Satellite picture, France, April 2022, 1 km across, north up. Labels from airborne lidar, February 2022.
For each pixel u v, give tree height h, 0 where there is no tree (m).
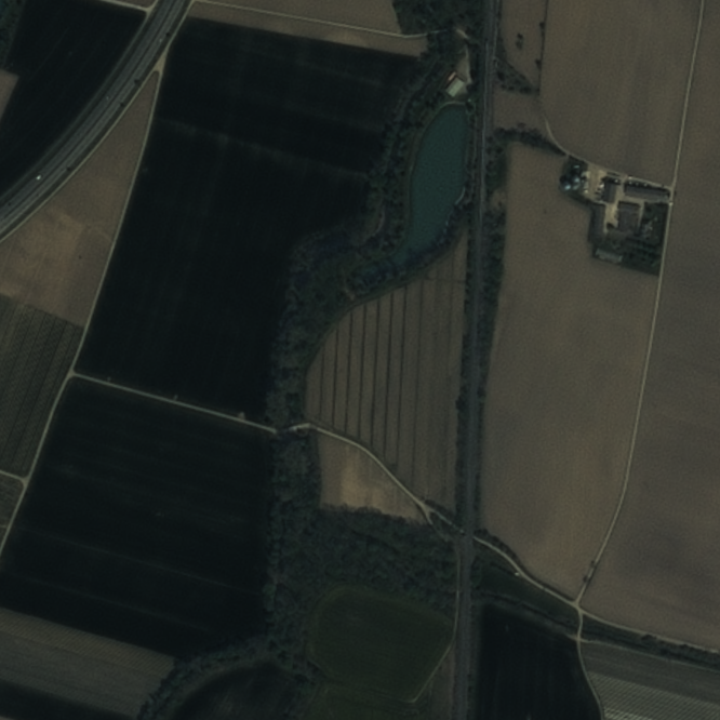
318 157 0
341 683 0
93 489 0
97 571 0
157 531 0
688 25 0
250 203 0
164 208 0
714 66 0
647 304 0
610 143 0
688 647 7
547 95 0
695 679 0
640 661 0
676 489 0
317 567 21
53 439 0
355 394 0
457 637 0
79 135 0
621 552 0
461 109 0
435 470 0
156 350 0
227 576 0
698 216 0
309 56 0
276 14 0
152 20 0
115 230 0
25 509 0
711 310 0
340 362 0
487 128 0
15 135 0
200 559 0
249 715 0
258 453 0
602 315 0
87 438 0
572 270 0
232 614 0
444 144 0
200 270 0
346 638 0
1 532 0
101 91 0
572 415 0
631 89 0
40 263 0
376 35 0
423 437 0
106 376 0
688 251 0
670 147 0
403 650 0
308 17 0
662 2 0
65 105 0
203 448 0
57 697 0
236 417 0
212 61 0
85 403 0
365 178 0
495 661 0
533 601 0
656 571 0
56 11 0
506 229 11
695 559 0
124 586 0
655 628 0
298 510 22
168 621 0
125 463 0
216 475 0
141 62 0
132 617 0
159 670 0
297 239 0
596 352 0
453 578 8
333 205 0
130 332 0
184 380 0
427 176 0
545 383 0
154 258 0
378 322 0
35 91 0
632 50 0
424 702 0
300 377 23
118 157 0
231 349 0
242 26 0
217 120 0
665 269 0
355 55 0
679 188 0
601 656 0
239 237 0
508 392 0
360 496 0
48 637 0
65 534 0
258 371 0
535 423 0
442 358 0
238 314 0
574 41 0
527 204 0
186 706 0
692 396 0
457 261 0
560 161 0
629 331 0
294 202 0
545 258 0
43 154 0
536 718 0
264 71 0
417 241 0
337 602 0
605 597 0
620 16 0
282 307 0
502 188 0
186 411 0
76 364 0
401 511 0
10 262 0
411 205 0
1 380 0
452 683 0
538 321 0
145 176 0
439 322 0
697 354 0
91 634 0
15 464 0
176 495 0
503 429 0
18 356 0
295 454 37
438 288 0
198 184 0
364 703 0
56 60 0
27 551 0
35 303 0
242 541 0
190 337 0
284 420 13
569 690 0
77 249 0
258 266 0
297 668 12
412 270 10
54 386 0
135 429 0
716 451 0
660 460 0
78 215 0
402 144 7
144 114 0
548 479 0
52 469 0
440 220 0
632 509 0
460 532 18
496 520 0
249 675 0
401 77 0
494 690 0
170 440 0
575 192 0
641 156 0
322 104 0
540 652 0
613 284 0
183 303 0
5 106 0
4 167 0
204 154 0
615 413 0
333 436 0
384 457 0
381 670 0
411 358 0
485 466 0
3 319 0
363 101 0
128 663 0
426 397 0
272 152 0
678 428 0
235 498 0
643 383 0
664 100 0
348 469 0
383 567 19
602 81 0
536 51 0
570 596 0
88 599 0
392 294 0
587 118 0
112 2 0
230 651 18
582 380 0
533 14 0
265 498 0
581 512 0
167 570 0
